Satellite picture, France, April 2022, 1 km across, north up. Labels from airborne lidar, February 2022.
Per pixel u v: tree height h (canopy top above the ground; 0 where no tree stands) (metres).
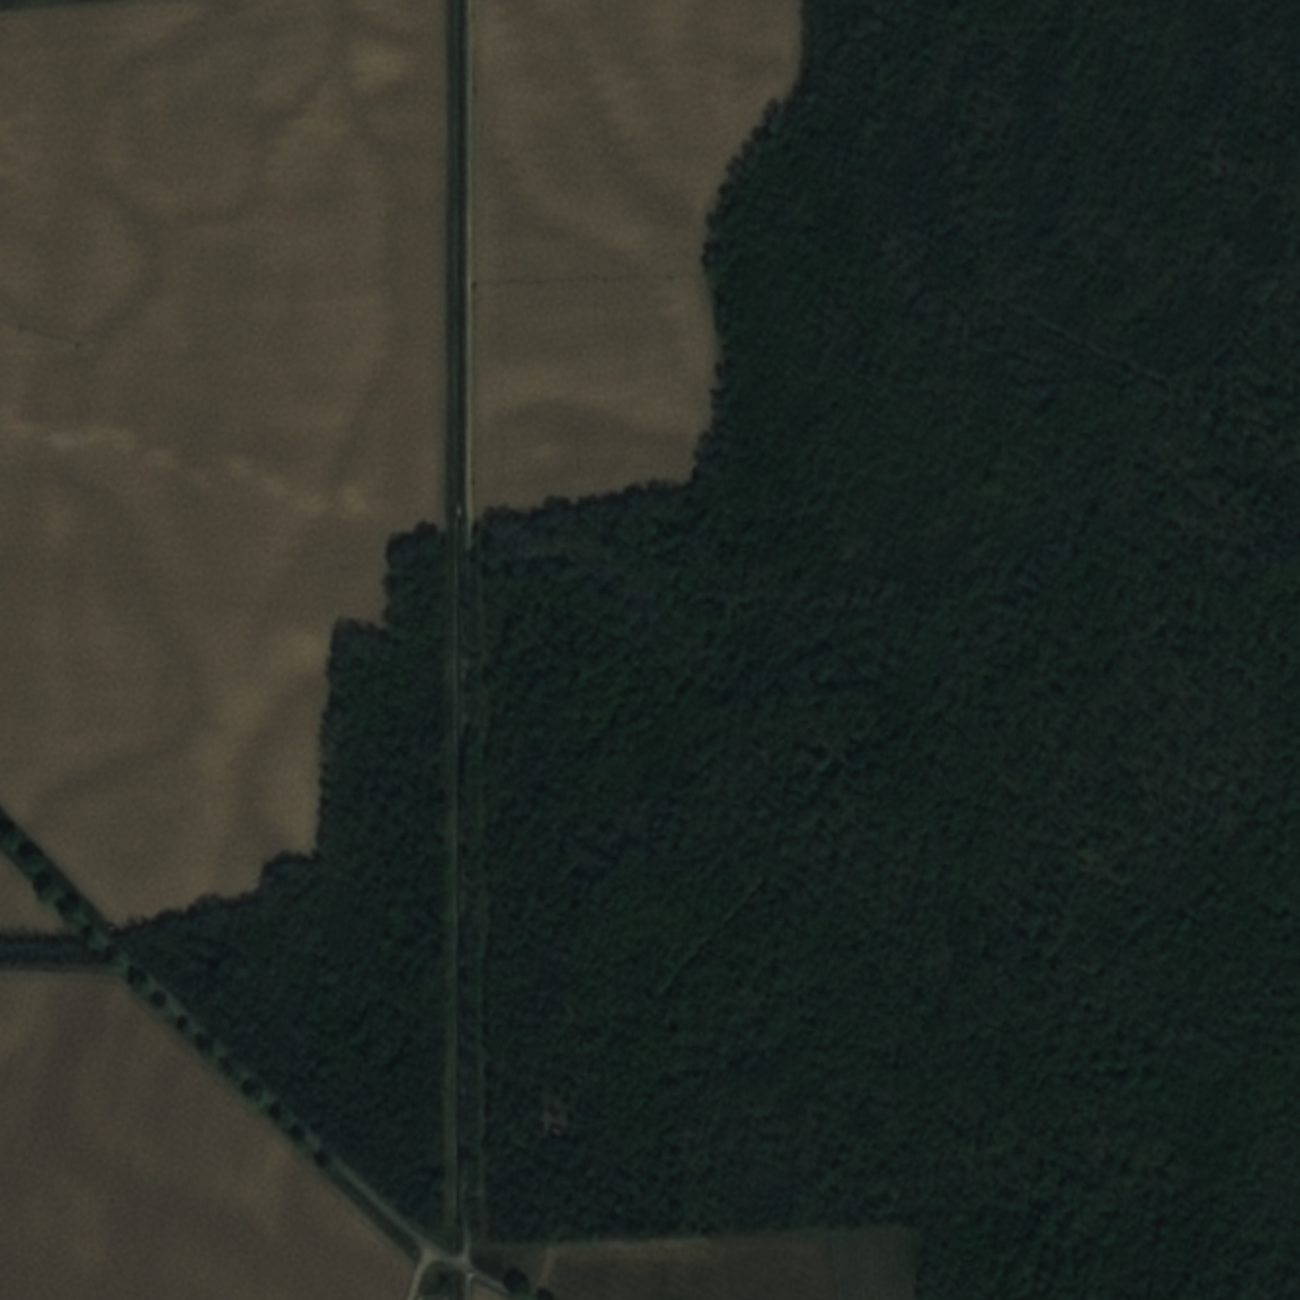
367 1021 14
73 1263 0
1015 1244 15
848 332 11
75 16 0
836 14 8
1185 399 13
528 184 0
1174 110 10
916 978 16
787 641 7
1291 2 10
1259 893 8
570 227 0
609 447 0
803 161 10
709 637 16
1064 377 9
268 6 0
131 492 0
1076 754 15
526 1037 10
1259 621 15
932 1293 14
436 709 8
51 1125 0
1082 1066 15
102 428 0
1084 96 10
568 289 0
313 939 11
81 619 0
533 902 14
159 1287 0
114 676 0
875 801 14
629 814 10
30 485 0
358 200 0
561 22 0
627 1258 0
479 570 16
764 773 12
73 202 0
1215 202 8
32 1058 0
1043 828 14
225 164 0
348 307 0
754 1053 9
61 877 0
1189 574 15
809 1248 0
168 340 0
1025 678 16
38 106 0
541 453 0
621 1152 14
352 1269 0
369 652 16
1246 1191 11
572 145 0
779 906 15
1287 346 13
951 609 8
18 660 0
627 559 22
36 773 0
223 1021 10
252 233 0
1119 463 8
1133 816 14
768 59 0
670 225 0
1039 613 16
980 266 13
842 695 17
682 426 0
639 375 0
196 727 0
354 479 0
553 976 13
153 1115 0
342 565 0
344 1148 13
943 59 8
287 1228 0
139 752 0
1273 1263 12
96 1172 0
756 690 10
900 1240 0
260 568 0
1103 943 9
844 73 13
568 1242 12
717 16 0
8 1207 0
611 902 17
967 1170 16
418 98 0
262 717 0
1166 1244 12
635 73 0
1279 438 14
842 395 12
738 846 14
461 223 0
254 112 0
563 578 15
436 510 0
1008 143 7
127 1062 0
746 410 10
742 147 0
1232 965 15
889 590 12
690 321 0
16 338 0
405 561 15
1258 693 16
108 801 0
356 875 10
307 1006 10
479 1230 9
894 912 15
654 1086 14
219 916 19
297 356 0
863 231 9
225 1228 0
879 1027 15
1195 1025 13
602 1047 13
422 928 11
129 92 0
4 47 0
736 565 14
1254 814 10
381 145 0
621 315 0
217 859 0
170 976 9
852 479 12
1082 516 11
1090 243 10
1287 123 8
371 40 0
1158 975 9
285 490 0
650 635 18
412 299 0
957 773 15
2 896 0
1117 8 10
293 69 0
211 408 0
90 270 0
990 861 16
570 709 18
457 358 0
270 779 0
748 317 14
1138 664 14
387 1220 0
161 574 0
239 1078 14
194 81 0
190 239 0
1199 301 9
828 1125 13
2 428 0
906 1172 15
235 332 0
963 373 14
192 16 0
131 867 0
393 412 0
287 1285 0
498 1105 13
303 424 0
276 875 10
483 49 0
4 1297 0
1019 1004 17
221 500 0
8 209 0
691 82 0
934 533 9
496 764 16
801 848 15
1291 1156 12
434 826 19
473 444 0
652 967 13
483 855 11
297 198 0
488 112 0
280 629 0
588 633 17
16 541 0
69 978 0
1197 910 11
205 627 0
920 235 9
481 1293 0
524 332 0
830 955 16
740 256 8
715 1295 0
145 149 0
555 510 14
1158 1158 12
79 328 0
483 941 14
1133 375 11
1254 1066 14
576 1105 10
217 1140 0
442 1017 17
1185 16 9
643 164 0
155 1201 0
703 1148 13
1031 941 15
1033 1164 16
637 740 10
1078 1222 14
